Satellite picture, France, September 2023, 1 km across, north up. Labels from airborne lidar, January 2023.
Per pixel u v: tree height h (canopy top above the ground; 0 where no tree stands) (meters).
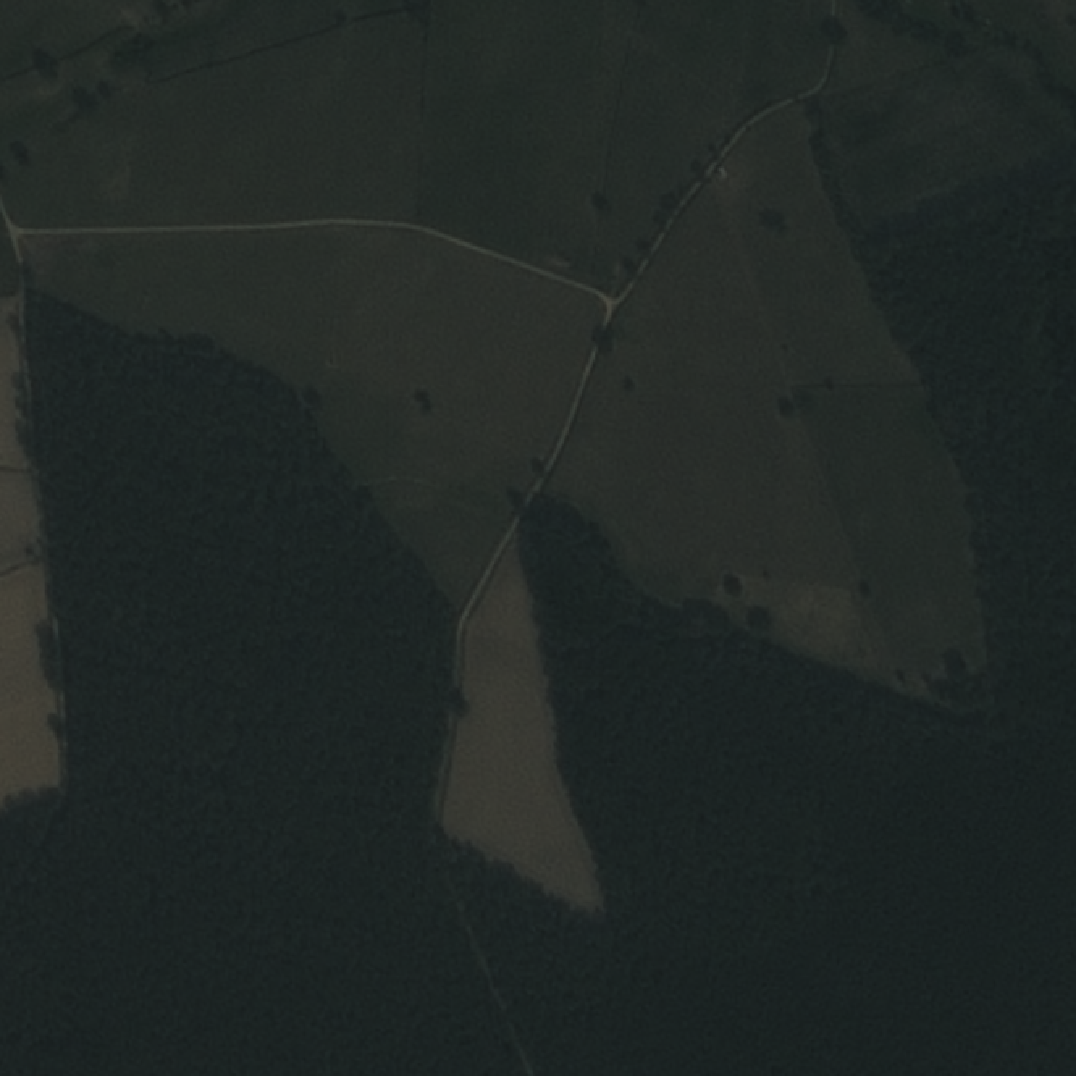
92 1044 25
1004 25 0
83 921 26
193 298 0
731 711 24
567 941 22
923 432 0
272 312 0
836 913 21
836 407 0
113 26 0
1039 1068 20
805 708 21
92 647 23
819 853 24
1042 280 21
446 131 0
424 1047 27
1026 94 0
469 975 26
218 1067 25
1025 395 20
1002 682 21
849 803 21
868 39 0
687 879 22
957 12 9
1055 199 21
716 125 0
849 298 0
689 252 0
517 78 0
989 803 19
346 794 26
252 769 25
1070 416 16
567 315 0
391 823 24
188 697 25
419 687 27
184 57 0
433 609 22
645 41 0
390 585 26
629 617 19
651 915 24
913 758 18
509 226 0
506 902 19
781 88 0
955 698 23
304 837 25
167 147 0
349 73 0
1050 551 18
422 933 26
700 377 0
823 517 0
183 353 10
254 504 18
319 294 0
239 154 0
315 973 26
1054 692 23
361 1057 24
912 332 14
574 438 0
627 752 27
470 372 0
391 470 0
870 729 19
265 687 22
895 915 17
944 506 0
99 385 25
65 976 27
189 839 24
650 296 0
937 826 20
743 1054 18
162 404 24
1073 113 20
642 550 0
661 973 26
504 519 0
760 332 0
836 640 0
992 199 18
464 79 0
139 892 17
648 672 19
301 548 27
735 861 24
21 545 0
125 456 21
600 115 0
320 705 26
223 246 0
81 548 25
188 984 25
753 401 0
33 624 0
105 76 0
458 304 0
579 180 0
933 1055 18
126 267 0
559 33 0
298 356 0
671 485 0
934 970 17
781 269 0
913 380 0
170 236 0
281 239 0
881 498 0
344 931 29
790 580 0
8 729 0
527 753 0
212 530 28
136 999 27
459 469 0
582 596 24
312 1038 25
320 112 0
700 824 26
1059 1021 22
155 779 24
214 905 25
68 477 24
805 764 24
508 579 0
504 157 0
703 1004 21
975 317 13
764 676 22
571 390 0
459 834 0
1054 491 14
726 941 23
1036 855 19
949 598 0
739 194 0
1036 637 22
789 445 0
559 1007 19
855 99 0
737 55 0
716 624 19
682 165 0
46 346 22
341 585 26
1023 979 23
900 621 0
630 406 0
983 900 22
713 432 0
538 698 0
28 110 0
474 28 0
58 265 0
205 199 0
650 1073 20
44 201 0
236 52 0
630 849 23
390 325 0
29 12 0
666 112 0
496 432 0
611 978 27
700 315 0
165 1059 25
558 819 0
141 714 27
